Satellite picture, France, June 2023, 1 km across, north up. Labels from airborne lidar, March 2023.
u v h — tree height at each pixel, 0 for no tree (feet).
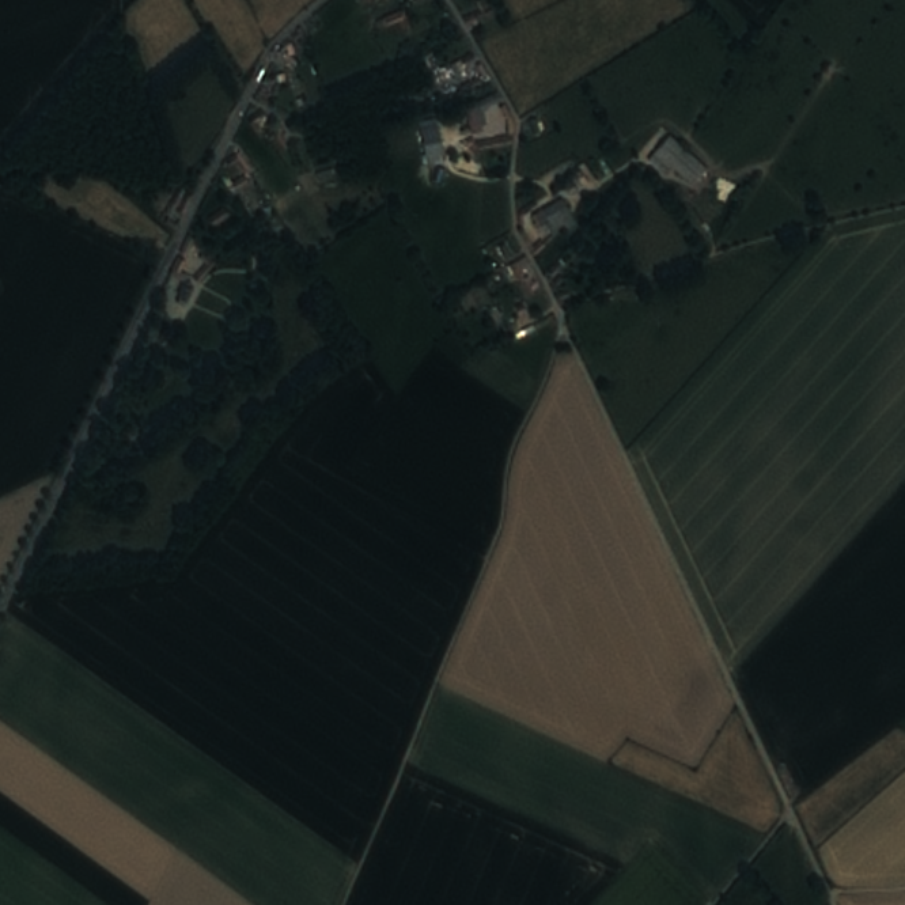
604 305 35
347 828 0
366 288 0
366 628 0
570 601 0
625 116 0
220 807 0
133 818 0
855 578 0
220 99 0
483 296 0
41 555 53
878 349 0
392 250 0
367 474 0
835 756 0
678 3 0
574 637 0
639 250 0
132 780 0
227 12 0
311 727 0
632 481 0
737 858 0
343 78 0
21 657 0
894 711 0
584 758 0
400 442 0
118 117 72
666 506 0
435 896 0
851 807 0
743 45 43
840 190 0
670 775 0
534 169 0
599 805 0
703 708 0
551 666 0
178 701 0
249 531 0
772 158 0
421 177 0
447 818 0
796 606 0
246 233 57
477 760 0
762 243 0
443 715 0
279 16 0
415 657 0
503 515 0
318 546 0
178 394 0
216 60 100
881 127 0
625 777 0
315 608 0
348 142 52
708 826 0
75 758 0
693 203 0
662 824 0
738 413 0
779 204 0
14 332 0
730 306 0
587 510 0
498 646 0
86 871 0
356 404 0
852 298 0
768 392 0
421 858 0
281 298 0
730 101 0
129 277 0
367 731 0
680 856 0
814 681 0
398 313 0
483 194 0
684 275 94
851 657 0
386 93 46
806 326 0
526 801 0
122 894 0
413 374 0
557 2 0
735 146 0
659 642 0
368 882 0
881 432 0
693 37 0
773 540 0
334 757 0
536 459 0
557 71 0
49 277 0
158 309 51
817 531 0
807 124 0
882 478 0
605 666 0
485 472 0
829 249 0
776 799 0
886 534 0
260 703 0
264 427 51
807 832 0
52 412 0
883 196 0
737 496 0
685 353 0
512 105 0
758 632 0
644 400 0
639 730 0
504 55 0
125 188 28
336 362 66
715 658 0
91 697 0
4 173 32
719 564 0
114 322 0
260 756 0
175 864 0
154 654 0
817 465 0
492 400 0
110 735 0
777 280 0
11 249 0
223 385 75
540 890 0
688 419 0
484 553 0
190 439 0
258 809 0
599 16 0
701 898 0
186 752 0
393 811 0
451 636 0
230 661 0
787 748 0
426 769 0
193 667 0
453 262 0
